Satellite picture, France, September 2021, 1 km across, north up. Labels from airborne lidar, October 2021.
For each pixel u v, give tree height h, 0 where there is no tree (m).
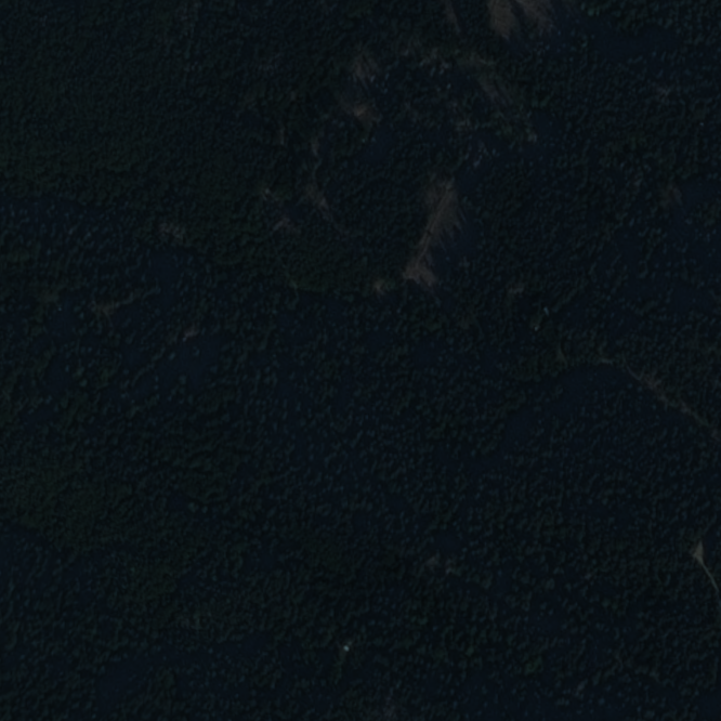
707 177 27
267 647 36
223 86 20
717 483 23
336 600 14
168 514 22
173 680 22
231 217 27
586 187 16
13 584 34
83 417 32
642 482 32
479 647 9
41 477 23
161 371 0
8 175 27
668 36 17
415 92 28
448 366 32
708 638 31
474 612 31
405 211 16
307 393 28
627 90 36
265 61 27
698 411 26
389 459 34
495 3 0
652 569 27
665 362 28
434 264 0
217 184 22
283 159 11
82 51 22
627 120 30
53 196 23
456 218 0
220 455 30
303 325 11
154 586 17
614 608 23
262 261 25
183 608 22
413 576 30
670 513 12
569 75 33
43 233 37
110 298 31
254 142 22
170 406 14
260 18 22
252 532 24
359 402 34
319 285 25
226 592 34
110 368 33
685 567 28
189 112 28
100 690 19
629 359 21
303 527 26
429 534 19
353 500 42
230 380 28
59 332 12
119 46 21
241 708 28
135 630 8
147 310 18
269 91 31
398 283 32
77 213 19
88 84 22
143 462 23
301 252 23
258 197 23
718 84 27
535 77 25
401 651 22
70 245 34
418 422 21
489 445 38
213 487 28
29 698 24
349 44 26
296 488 36
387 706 26
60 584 23
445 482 22
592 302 19
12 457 17
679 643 35
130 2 21
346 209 27
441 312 14
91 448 29
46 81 17
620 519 11
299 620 19
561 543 8
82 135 27
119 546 21
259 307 27
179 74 17
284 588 28
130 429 18
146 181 31
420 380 21
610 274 31
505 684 25
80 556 21
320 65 6
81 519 24
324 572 18
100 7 27
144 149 21
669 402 21
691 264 33
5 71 21
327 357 15
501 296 22
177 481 30
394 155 26
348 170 19
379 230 26
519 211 14
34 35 29
